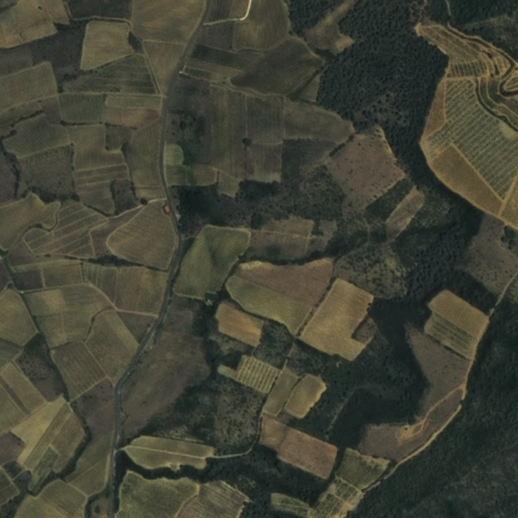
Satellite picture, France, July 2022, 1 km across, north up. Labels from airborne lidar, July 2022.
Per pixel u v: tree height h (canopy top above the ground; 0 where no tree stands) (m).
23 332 0
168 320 0
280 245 0
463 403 10
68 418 0
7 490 0
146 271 0
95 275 0
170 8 0
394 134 9
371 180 0
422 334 0
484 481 9
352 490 0
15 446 0
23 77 0
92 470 0
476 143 0
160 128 0
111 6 0
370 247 0
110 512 0
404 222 0
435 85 10
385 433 0
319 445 0
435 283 9
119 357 0
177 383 0
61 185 0
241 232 0
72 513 0
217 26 0
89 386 0
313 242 0
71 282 0
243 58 0
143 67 0
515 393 9
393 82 11
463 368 0
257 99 0
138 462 0
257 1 0
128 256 0
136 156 0
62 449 0
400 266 0
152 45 0
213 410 0
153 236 0
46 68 0
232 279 0
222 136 0
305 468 0
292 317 0
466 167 0
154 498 0
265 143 0
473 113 0
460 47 0
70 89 0
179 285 0
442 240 10
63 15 0
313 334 0
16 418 0
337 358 0
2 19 0
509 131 0
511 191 0
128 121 0
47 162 0
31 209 0
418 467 9
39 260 0
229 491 0
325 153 0
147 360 0
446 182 0
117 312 0
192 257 0
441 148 0
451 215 13
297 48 0
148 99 0
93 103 0
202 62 0
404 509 7
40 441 0
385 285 0
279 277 0
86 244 0
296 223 0
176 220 0
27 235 0
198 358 0
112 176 0
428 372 0
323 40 0
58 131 0
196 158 0
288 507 0
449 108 0
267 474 12
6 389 0
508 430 12
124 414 0
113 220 0
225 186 0
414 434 0
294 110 0
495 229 0
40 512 0
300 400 0
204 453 0
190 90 0
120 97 0
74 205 0
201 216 11
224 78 0
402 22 9
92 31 0
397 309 0
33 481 0
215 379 10
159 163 0
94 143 0
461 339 0
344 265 0
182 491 0
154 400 0
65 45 0
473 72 0
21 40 0
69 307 0
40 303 0
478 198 0
